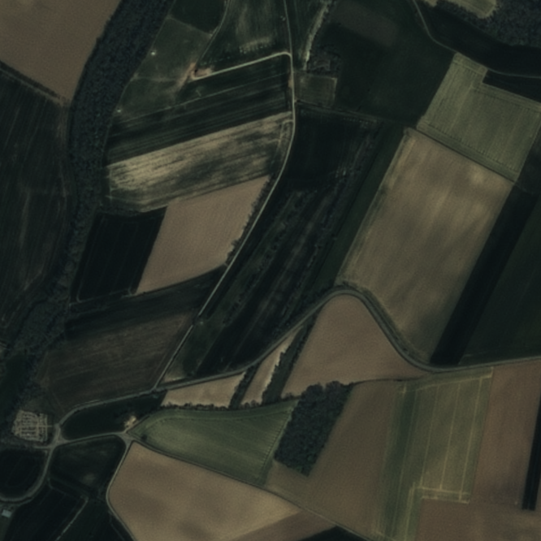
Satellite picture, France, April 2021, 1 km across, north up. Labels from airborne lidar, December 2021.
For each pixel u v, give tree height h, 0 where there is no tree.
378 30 0
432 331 0
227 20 0
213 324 0
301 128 0
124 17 16
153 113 0
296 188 0
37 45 0
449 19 0
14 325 0
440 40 0
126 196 0
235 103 0
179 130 0
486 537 0
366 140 0
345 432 0
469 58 0
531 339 0
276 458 12
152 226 0
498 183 0
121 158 0
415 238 0
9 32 0
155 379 0
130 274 0
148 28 11
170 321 0
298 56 0
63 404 0
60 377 0
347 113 10
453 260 0
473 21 7
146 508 0
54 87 0
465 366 0
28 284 0
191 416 0
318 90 0
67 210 0
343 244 0
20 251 0
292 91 0
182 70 0
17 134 0
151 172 0
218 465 0
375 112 0
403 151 0
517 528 0
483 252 0
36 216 0
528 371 0
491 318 0
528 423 0
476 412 0
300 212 8
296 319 13
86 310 9
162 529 0
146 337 0
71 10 0
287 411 0
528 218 0
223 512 0
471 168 0
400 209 0
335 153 0
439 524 0
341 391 15
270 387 6
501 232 0
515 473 0
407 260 0
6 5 0
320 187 0
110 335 0
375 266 0
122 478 0
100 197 12
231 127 0
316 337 0
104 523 0
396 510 0
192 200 0
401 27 0
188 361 0
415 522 0
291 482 0
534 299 0
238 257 0
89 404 0
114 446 0
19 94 0
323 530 0
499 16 15
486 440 0
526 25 16
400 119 0
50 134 0
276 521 0
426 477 0
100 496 11
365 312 0
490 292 0
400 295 0
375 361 0
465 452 0
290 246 0
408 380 0
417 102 0
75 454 0
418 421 0
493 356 0
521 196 0
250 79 0
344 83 0
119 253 0
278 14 0
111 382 0
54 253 0
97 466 0
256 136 0
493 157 0
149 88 0
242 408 12
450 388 0
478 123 0
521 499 0
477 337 0
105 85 7
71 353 0
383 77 0
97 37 0
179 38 0
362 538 0
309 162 0
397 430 0
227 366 0
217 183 0
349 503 0
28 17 0
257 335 0
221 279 0
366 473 0
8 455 0
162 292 0
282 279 0
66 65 0
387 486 0
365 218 0
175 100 0
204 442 0
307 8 0
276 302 0
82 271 0
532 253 0
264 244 0
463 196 0
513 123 0
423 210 0
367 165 0
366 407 0
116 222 0
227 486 0
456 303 0
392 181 0
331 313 0
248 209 0
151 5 18
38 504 0
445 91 0
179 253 0
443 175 0
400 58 0
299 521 0
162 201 0
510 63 0
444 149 0
